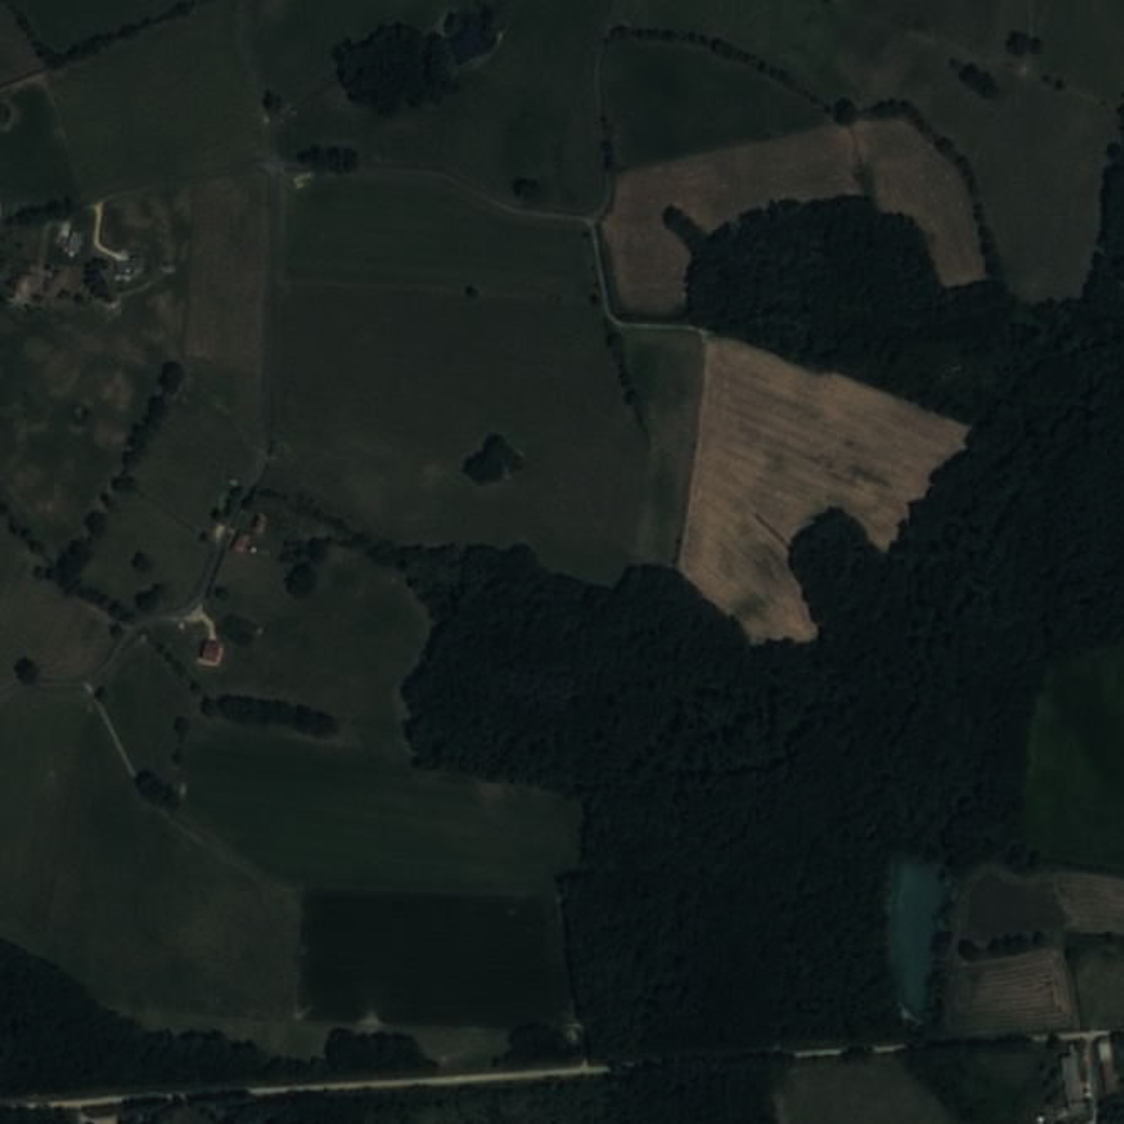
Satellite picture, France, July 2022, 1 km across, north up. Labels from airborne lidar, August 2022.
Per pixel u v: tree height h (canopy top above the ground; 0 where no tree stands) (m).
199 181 0
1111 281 25
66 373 0
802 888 21
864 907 22
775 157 0
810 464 0
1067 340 21
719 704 24
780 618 0
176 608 0
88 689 0
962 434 0
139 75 0
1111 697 0
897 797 21
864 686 14
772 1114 21
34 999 22
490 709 22
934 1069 8
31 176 0
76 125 0
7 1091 22
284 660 0
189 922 0
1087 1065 0
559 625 23
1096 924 0
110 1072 21
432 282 0
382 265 0
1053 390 21
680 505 0
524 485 0
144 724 0
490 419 0
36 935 0
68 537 0
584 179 0
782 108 0
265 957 0
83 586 10
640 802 26
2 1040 17
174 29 0
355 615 0
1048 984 0
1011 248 0
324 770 0
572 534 0
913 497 0
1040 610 20
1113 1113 9
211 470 0
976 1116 8
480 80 0
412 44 22
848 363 15
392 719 0
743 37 0
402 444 0
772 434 0
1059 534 20
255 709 19
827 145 0
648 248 0
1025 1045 16
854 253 20
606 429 0
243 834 0
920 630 19
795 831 16
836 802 17
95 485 0
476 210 0
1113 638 17
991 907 0
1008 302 11
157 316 0
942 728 20
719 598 0
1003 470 30
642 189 0
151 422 17
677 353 0
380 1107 11
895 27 0
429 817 0
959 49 0
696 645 24
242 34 0
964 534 24
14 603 0
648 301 0
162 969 0
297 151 0
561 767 21
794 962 21
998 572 19
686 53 0
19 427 0
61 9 0
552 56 0
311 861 0
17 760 0
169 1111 23
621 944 19
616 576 0
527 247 0
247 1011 0
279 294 0
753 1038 19
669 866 24
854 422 0
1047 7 0
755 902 18
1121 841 0
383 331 0
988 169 0
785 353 9
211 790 0
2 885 0
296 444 0
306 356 0
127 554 0
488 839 0
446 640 18
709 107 0
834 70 0
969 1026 0
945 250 0
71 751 0
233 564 0
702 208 0
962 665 17
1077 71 0
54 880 0
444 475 0
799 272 19
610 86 0
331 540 8
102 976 0
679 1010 24
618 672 17
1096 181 0
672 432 0
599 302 10
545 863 0
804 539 15
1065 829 0
